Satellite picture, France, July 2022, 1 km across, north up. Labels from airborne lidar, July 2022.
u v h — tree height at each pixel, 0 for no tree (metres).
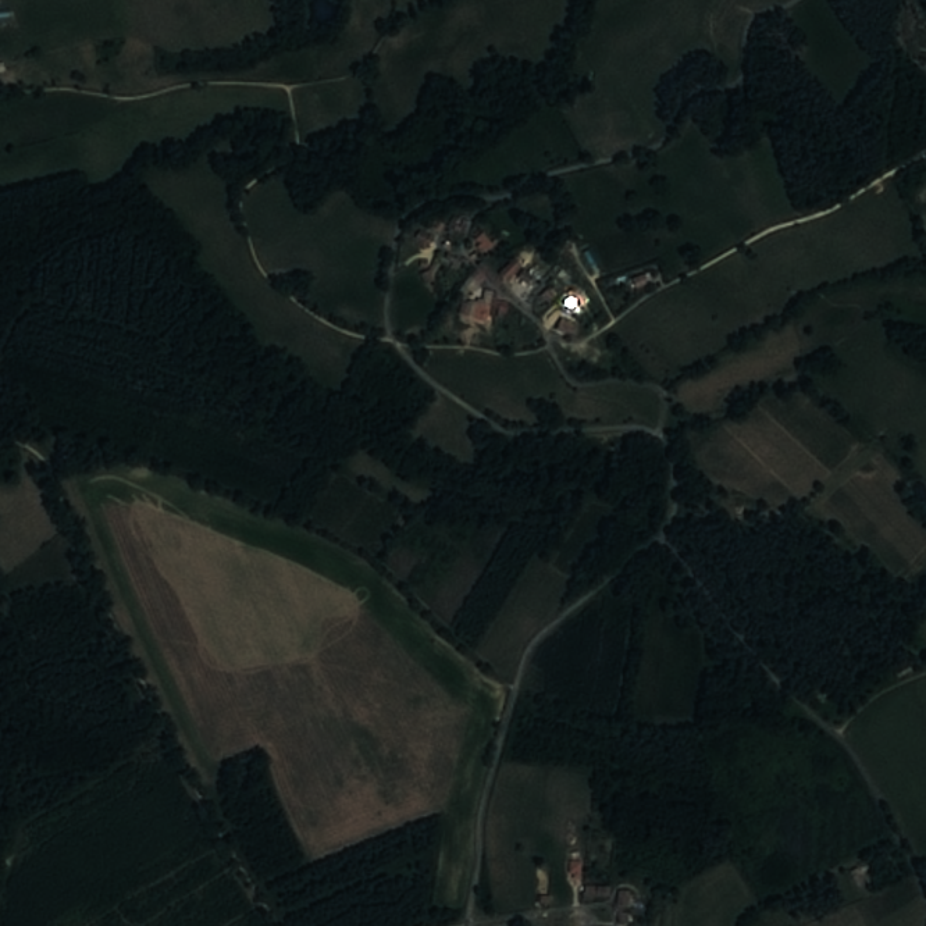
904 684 0
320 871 15
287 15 16
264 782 16
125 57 0
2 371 9
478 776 0
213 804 14
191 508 0
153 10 0
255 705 0
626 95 0
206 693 0
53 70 0
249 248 0
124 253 17
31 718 20
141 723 11
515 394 0
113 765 8
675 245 0
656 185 13
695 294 0
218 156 19
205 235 0
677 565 15
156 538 0
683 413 23
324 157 15
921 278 12
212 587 0
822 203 16
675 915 0
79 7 0
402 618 0
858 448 0
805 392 20
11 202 22
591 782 9
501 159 0
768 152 0
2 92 25
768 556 23
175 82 0
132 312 17
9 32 0
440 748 0
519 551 10
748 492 0
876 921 0
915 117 6
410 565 0
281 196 0
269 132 21
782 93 16
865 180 15
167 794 5
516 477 6
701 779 16
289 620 0
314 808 0
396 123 0
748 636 22
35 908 7
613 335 13
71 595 7
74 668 13
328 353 0
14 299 11
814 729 16
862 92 17
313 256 0
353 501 0
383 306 0
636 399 0
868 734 0
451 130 14
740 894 0
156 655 0
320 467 14
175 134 0
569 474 20
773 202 0
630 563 24
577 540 0
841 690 18
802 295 14
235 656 0
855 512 0
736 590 25
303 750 0
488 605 8
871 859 15
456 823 0
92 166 0
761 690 20
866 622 13
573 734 16
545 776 0
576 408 0
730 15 0
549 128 0
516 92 15
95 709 9
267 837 11
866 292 0
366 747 0
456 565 0
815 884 17
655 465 19
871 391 0
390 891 12
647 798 17
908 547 0
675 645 0
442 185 19
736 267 0
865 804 0
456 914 11
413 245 0
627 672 13
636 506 24
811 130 22
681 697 0
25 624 8
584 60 0
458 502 22
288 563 0
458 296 10
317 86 0
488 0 0
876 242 0
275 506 7
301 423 23
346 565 0
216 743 0
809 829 0
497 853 0
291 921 12
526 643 0
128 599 0
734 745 5
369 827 0
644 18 0
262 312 0
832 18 0
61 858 6
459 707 0
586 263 0
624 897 0
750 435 0
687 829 19
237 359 21
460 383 0
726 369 0
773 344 0
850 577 24
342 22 22
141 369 9
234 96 0
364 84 10
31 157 0
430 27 0
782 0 0
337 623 0
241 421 15
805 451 0
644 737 19
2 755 12
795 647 24
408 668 0
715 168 0
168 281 16
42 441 23
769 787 0
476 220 6
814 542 18
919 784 0
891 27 23
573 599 12
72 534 24
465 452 0
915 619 17
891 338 14
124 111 0
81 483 0
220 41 0
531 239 16
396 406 10
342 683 0
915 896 0
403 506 16
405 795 0
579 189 0
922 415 0
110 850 7
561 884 0
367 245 0
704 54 15
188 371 15
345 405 25
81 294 17
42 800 15
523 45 0
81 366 14
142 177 11
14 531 0
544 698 9
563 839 0
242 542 0
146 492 0
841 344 0
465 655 7
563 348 0
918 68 8
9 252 21
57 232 18
